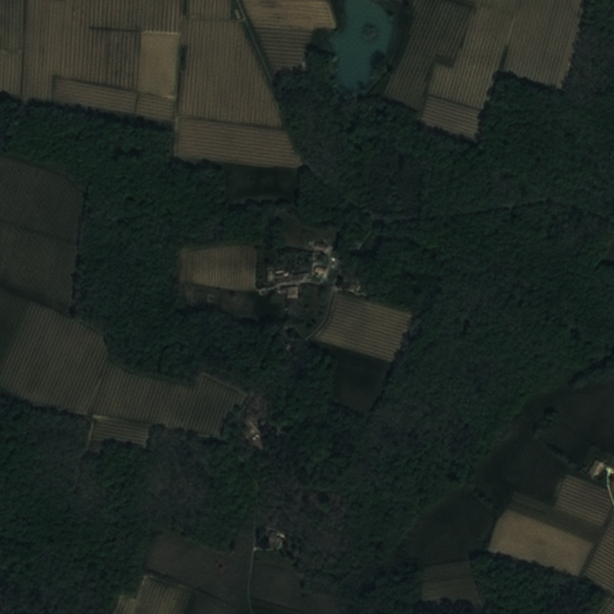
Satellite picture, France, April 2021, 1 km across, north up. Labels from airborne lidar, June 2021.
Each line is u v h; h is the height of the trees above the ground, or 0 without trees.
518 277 24
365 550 22
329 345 0
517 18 0
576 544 0
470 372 19
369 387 0
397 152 22
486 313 19
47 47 0
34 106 16
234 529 19
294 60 0
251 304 0
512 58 0
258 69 0
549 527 0
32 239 0
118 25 0
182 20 0
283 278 0
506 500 0
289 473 26
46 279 0
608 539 0
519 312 24
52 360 0
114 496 22
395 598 23
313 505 23
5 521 21
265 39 0
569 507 0
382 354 0
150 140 24
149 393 0
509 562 17
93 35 0
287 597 0
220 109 0
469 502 0
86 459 12
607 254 17
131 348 24
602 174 20
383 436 21
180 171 23
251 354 19
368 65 0
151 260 20
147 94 0
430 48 0
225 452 25
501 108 21
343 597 21
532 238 20
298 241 0
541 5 0
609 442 0
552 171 18
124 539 24
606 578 0
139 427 0
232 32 0
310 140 17
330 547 11
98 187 23
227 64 0
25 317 0
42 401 0
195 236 19
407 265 20
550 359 18
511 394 21
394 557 15
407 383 22
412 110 12
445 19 0
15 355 0
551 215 22
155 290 25
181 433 9
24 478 20
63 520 22
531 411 0
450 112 0
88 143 23
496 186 19
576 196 16
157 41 0
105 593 20
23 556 24
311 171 15
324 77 20
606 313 20
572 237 19
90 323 16
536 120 22
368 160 23
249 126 0
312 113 19
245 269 0
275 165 0
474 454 24
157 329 27
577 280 20
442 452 20
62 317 0
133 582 20
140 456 18
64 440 19
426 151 21
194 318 31
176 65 0
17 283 0
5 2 0
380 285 18
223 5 0
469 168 24
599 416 0
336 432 26
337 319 0
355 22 0
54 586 22
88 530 24
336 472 19
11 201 0
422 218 15
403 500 20
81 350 0
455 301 19
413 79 0
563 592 17
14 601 22
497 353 23
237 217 23
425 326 21
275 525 11
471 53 0
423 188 19
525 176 19
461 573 0
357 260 19
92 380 0
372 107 13
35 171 0
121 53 0
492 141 18
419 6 0
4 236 0
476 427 19
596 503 0
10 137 24
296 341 8
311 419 25
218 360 23
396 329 0
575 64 15
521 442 0
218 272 0
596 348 22
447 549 0
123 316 25
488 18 0
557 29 0
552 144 21
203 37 0
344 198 20
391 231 22
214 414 0
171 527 21
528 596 26
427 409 20
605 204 17
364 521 16
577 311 21
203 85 0
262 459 17
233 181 0
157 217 24
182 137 0
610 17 19
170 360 23
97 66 0
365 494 13
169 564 0
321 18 0
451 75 0
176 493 18
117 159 22
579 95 18
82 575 24
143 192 23
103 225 20
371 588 14
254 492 18
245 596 0
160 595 0
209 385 0
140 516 22
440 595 0
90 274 15
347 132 24
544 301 23
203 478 21
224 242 17
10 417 27
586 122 17
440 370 21
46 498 20
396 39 0
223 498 23
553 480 0
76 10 0
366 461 27
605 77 20
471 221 18
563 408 0
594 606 17
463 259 23
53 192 0
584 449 0
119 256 16
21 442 27
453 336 24
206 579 0
